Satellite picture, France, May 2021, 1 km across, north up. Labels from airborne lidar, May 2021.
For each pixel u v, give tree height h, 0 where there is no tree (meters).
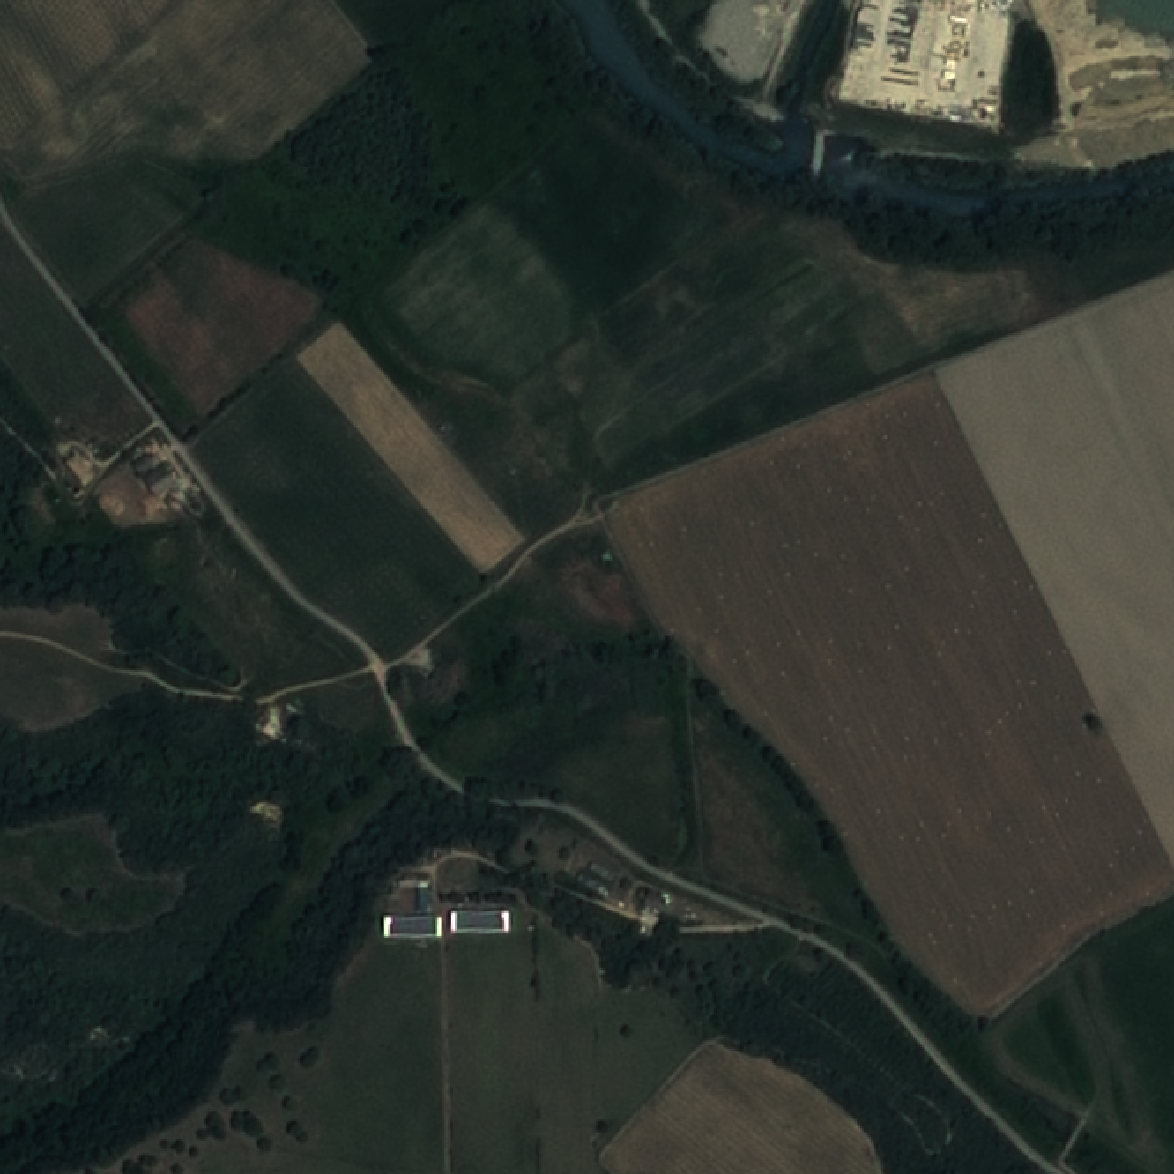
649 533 0
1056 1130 0
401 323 0
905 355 0
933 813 0
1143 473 0
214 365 0
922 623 0
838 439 0
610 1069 0
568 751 0
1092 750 0
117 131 0
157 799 9
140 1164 6
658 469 0
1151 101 0
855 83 0
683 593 0
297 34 0
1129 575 0
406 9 0
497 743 0
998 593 0
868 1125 10
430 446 0
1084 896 0
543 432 0
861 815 0
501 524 0
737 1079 0
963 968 0
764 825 0
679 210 0
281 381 0
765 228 0
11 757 6
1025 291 0
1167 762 0
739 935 5
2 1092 15
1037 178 10
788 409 0
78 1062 10
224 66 0
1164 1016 0
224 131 0
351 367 0
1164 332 0
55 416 0
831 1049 6
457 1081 0
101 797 10
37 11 0
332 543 0
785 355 0
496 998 0
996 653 0
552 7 7
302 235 6
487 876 7
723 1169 0
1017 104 0
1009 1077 0
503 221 0
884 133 0
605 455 0
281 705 0
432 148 9
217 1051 8
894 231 19
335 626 0
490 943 0
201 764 11
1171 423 0
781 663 0
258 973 6
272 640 0
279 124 0
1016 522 0
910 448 0
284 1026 10
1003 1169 7
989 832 0
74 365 0
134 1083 17
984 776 0
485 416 0
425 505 0
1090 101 0
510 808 6
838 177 0
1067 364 0
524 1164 0
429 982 0
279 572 0
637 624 0
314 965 7
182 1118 6
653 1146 0
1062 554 0
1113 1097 0
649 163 0
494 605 0
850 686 0
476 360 0
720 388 0
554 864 0
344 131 10
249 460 0
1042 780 0
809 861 0
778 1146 0
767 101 0
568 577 0
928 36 0
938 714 0
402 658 0
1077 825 0
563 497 0
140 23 0
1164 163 15
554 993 0
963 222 10
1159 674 0
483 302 0
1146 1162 0
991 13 0
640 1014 0
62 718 0
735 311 0
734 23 0
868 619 0
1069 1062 0
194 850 10
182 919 9
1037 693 0
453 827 6
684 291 0
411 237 15
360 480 0
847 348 0
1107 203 10
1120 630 0
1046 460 0
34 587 15
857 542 0
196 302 0
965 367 0
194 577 0
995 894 0
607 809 0
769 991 6
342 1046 0
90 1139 17
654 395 0
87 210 0
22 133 0
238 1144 0
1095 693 0
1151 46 0
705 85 14
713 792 0
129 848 10
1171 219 7
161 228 0
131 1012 11
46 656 0
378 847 12
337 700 0
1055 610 0
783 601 0
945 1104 5
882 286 0
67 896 10
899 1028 6
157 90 0
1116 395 0
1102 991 0
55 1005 13
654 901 0
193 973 14
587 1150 0
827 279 0
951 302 0
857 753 0
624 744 0
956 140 0
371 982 0
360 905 12
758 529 0
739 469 0
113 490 0
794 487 0
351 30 0
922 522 0
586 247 0
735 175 9
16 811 9
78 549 17
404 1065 0
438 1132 0
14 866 0
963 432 0
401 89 12
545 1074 0
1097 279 0
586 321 0
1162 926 0
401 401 0
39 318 0
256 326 0
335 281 16
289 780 8
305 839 6
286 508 0
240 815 7
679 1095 0
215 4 0
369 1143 0
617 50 0
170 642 10
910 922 0
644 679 6
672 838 0
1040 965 0
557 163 0
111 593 7
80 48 0
